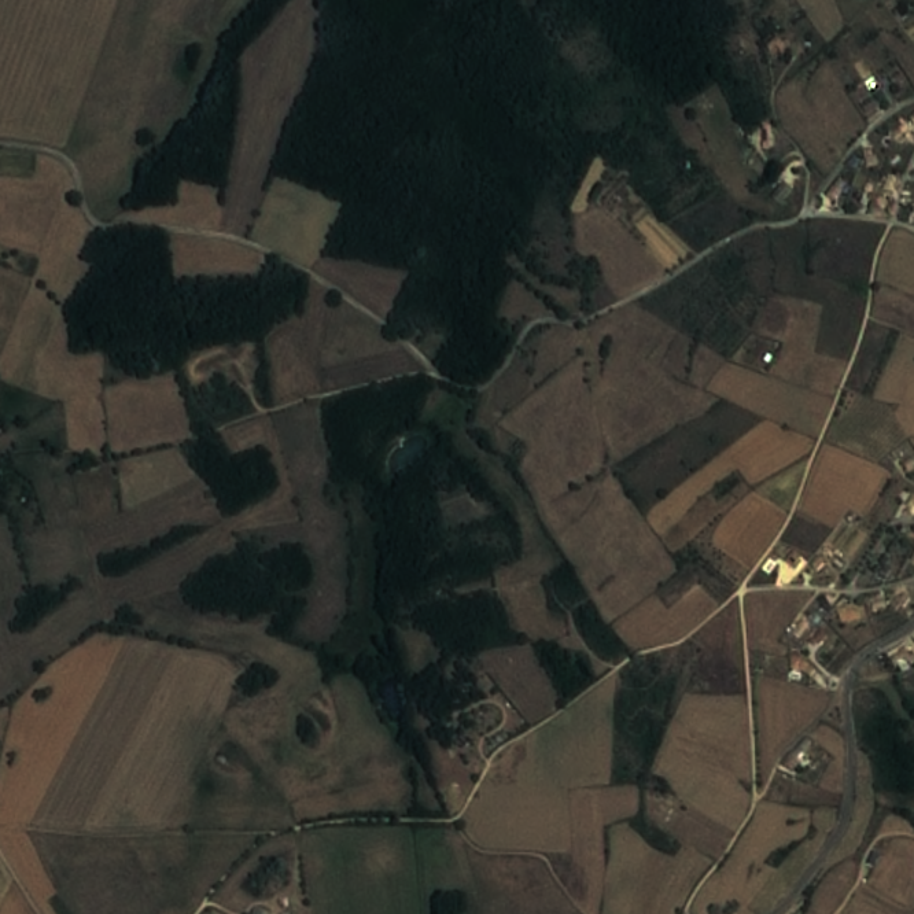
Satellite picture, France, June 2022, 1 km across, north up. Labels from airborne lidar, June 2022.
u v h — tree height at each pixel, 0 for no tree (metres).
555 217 0
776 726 0
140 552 8
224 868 0
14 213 0
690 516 0
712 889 0
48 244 0
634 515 0
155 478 0
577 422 0
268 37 0
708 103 0
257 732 0
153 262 17
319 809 0
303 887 7
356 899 0
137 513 0
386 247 10
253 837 0
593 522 0
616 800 0
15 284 0
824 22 0
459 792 0
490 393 0
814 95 0
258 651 0
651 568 0
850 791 0
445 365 14
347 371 0
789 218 0
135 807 0
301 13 0
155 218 0
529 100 6
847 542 0
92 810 0
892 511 0
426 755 15
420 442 0
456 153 15
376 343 0
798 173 9
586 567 0
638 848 0
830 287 0
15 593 0
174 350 11
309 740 10
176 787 0
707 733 0
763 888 0
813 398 0
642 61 11
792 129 0
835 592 0
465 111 13
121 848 0
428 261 15
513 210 12
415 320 14
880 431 0
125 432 0
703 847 0
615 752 0
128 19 0
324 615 0
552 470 0
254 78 0
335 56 12
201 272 0
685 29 15
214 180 11
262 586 10
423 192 10
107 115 0
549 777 0
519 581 0
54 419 0
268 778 0
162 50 0
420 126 13
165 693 0
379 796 0
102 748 0
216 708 0
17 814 0
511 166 6
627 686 0
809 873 0
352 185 15
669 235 0
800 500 0
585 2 13
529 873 0
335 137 13
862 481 0
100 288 13
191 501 0
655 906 0
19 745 0
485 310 15
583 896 0
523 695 0
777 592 0
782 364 0
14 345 0
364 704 0
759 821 0
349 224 12
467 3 17
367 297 0
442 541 9
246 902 0
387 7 5
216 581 8
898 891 0
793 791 0
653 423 0
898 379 0
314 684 0
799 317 0
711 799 0
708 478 0
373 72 15
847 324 0
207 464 9
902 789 8
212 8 0
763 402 0
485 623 12
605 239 0
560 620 0
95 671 0
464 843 0
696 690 0
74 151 0
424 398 6
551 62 11
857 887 0
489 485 12
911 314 0
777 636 0
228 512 9
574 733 0
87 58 0
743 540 0
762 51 6
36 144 0
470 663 9
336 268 0
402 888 0
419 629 6
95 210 0
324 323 0
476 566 5
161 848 0
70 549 0
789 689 0
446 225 15
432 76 12
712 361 0
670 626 0
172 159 13
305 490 0
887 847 0
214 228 0
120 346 14
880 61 0
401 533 7
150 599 0
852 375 0
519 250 11
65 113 0
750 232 0
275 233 0
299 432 0
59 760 0
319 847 0
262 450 13
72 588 6
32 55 0
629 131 9
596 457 0
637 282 0
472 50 26
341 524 0
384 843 0
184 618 0
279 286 11
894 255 0
